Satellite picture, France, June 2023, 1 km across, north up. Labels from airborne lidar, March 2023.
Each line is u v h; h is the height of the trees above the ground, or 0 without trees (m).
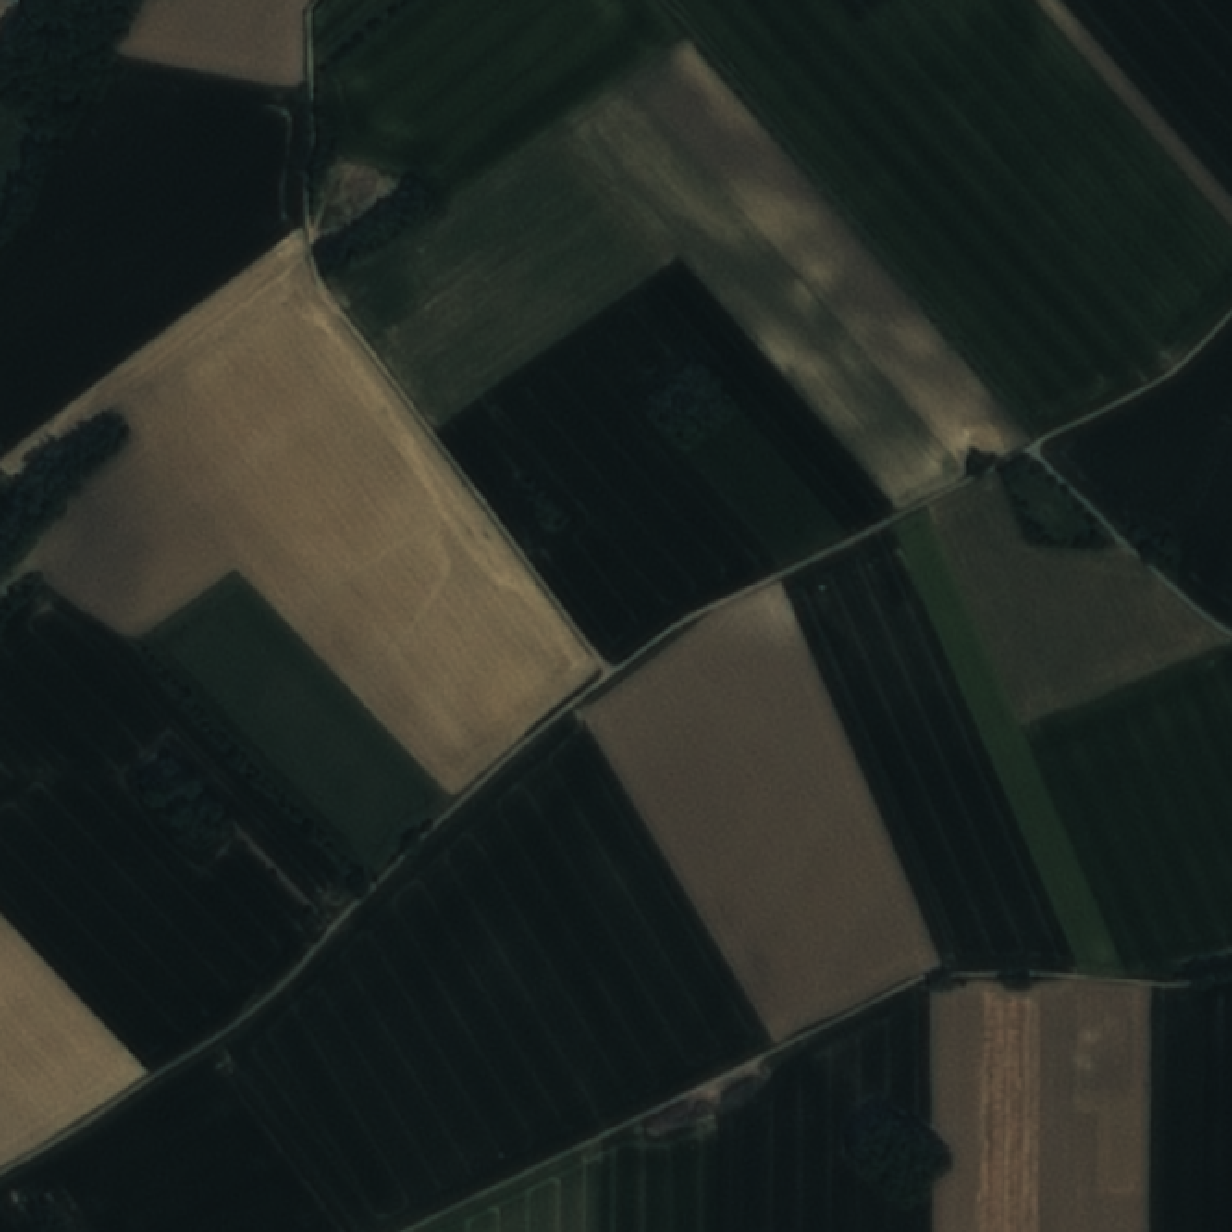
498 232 0
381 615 0
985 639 0
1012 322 0
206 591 0
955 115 0
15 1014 0
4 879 0
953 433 0
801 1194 0
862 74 0
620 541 0
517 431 0
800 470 0
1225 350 0
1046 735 0
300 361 0
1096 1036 0
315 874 0
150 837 0
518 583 0
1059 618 0
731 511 0
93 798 0
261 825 0
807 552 0
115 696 0
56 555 0
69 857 0
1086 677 0
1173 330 0
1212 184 0
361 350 0
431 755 0
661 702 0
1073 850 0
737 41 0
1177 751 0
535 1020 0
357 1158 0
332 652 0
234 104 0
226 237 0
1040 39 0
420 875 0
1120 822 0
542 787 0
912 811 0
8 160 0
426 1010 0
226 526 0
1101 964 0
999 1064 0
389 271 0
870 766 0
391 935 0
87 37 21
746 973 0
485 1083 0
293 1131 0
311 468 0
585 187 0
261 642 0
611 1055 0
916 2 0
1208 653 0
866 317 0
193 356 0
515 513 0
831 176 0
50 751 0
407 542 0
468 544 0
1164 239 0
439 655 0
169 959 0
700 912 0
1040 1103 0
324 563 0
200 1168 0
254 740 0
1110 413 0
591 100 0
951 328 0
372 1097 0
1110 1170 0
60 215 0
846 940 0
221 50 0
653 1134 0
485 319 0
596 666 0
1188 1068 0
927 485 0
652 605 0
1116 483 0
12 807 0
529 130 0
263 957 0
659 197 0
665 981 0
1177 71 0
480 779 0
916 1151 25
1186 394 0
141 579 0
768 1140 0
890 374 0
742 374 0
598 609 0
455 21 0
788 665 0
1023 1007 0
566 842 0
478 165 0
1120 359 0
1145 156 0
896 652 0
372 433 0
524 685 0
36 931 0
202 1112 0
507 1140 0
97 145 0
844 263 0
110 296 0
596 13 0
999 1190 0
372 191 0
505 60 0
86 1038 0
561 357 0
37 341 0
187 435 0
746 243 0
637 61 0
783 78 0
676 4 0
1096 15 0
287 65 0
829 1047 0
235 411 0
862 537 0
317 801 0
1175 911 0
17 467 0
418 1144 0
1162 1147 0
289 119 0
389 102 0
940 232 0
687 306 0
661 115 0
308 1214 0
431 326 0
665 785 0
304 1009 0
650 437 0
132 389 0
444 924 0
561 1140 0
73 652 0
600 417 0
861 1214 0
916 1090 0
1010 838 0
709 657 0
